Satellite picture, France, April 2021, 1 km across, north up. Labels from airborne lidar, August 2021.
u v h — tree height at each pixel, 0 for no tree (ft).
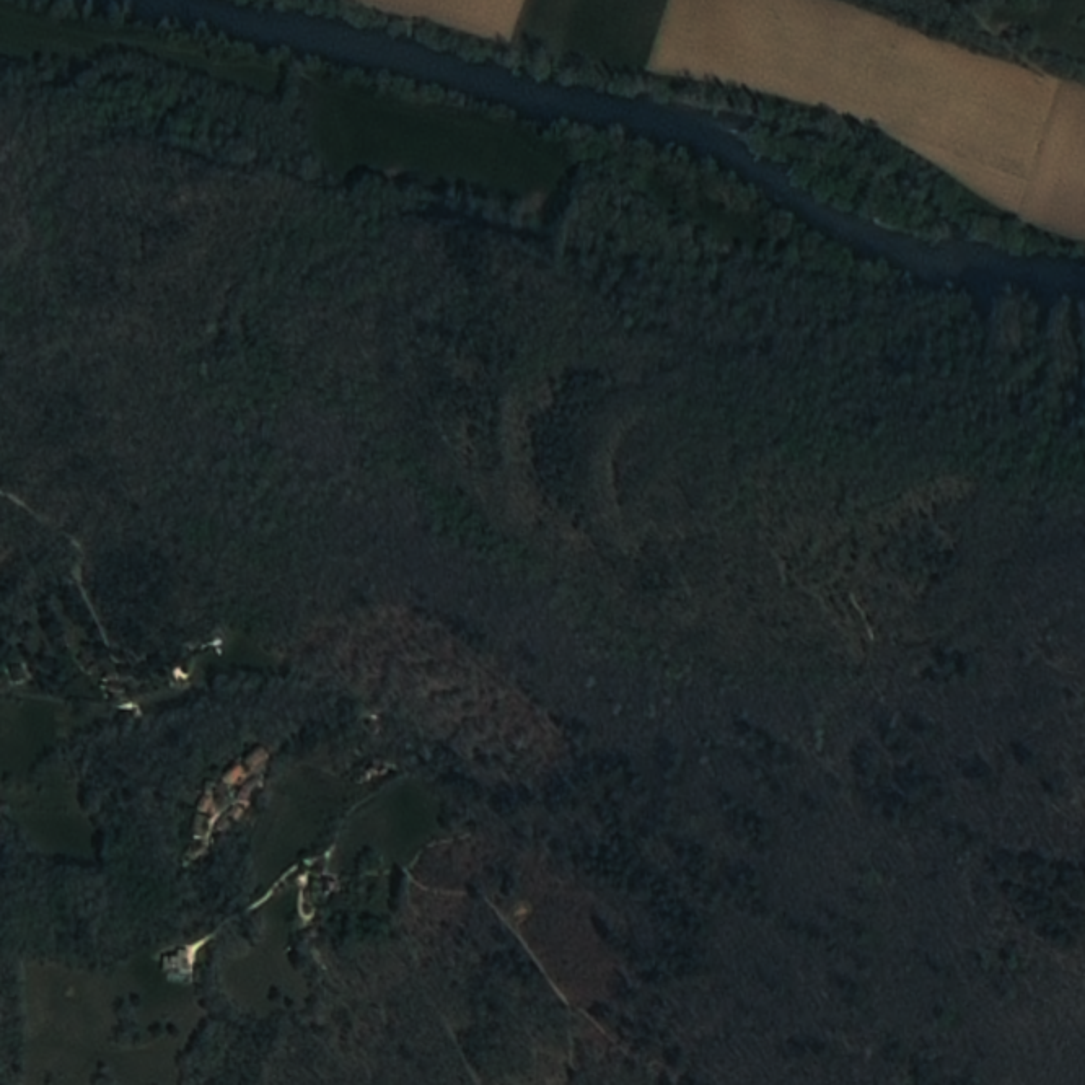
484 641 55
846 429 63
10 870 65
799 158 39
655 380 50
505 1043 44
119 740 48
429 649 33
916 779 76
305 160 96
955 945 52
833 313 54
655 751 44
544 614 64
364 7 25
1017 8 54
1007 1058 69
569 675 61
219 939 43
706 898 73
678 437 42
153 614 31
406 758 41
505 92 0
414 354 46
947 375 83
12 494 54
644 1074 46
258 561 50
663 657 60
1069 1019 73
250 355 72
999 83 0
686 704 66
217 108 78
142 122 53
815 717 71
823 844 72
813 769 60
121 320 57
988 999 59
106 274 27
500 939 41
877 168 63
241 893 35
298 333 37
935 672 35
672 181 50
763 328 63
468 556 74
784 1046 53
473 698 22
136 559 29
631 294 62
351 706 42
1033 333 84
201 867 33
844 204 57
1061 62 55
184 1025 0
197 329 60
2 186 66
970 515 46
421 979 47
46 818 0
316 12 87
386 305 42
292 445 59
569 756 31
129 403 53
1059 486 70
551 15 0
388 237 42
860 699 47
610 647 58
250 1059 35
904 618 30
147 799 47
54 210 43
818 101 0
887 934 72
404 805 0
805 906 73
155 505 48
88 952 64
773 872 62
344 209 49
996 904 54
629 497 37
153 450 63
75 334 60
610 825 84
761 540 42
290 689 60
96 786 52
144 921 52
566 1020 55
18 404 52
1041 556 43
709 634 47
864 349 57
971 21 49
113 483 38
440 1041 55
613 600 36
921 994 64
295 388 66
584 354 42
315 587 52
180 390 75
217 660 0
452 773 35
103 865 47
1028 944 38
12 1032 51
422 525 65
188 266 42
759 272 55
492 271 31
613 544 40
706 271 75
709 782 62
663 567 28
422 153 0
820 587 30
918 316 60
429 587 45
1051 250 37
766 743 58
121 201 49
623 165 33
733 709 63
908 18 62
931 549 42
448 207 90
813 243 46
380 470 66
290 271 68
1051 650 46
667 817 76
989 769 37
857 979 66
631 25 0
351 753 20
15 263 65
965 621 51
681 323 50
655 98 80
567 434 43
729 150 0
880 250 0
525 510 32
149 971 0
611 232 94
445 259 19
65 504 49
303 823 0
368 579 46
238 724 76
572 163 50
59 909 62
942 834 71
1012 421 74
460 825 59
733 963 63
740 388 65
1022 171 0
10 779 27
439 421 33
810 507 47
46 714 0
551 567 48
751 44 0
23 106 47
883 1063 50
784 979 60
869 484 51
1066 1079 67
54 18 47
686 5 0
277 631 46
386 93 31
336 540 52
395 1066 58
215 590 37
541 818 55
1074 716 24
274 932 0
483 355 30
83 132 42
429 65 0
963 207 39
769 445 60
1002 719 48
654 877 75
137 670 30
